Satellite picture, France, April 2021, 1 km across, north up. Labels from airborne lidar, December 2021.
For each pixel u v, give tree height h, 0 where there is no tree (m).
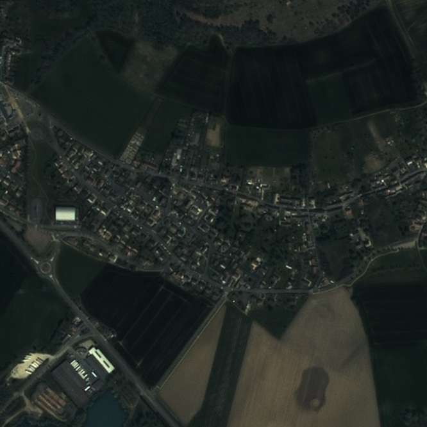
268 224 0
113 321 0
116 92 0
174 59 0
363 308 0
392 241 0
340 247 0
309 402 0
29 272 0
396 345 0
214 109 0
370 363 0
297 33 0
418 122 0
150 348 0
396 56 0
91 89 0
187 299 0
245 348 0
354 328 0
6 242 0
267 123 0
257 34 9
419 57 0
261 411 0
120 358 0
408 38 0
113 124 0
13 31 0
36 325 0
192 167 7
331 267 0
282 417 0
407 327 0
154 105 0
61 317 0
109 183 0
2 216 6
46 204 0
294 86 0
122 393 20
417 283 0
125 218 0
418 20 0
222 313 0
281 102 0
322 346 0
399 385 0
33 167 0
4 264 0
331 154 0
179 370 0
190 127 6
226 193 9
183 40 14
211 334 0
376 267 0
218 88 0
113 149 0
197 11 15
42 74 10
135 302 0
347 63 0
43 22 0
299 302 0
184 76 0
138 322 0
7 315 0
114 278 0
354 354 0
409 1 0
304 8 0
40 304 0
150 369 0
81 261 0
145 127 0
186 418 0
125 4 19
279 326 0
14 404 10
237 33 13
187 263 13
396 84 0
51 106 0
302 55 0
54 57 18
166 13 13
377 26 0
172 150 7
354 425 0
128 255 0
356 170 0
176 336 0
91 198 0
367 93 0
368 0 9
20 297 0
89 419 0
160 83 0
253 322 0
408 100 0
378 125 0
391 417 0
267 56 0
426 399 0
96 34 0
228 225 11
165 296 0
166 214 0
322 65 0
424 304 0
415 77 8
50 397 0
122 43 0
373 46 0
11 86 0
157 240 0
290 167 0
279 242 8
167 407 0
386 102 0
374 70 0
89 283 0
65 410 0
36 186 0
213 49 0
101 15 20
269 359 0
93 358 0
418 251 0
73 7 22
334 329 0
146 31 11
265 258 0
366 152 0
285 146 0
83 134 0
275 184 0
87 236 0
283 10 0
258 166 0
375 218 0
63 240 0
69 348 0
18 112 0
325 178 0
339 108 0
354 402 0
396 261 0
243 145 0
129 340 0
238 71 0
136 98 0
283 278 0
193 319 0
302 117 0
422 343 0
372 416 0
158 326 0
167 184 10
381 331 0
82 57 0
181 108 0
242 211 11
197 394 0
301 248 0
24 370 0
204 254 7
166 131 0
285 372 0
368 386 0
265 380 0
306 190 10
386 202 0
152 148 0
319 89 0
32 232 0
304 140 0
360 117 0
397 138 0
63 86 0
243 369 0
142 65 0
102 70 0
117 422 0
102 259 0
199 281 0
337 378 0
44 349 11
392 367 0
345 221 7
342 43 0
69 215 0
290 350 0
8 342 0
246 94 0
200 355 0
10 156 0
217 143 0
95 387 0
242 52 0
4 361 0
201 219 0
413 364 0
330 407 0
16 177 7
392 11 0
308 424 0
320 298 0
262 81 0
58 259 0
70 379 0
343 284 0
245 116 0
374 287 0
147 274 0
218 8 13
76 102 0
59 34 0
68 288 0
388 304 0
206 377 0
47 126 0
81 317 0
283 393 0
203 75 0
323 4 0
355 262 14
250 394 0
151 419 18
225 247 0
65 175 0
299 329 0
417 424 18
